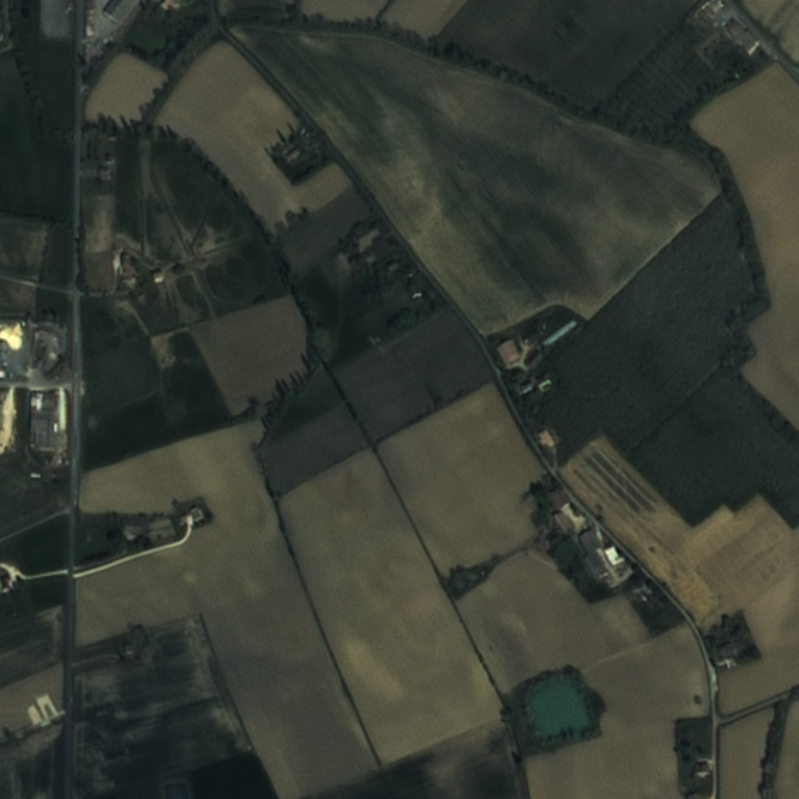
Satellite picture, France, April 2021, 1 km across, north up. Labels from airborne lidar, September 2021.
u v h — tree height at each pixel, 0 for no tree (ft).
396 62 0
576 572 59
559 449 21
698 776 25
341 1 0
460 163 0
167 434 0
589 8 0
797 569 0
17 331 0
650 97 46
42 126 25
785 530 0
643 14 0
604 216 0
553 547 56
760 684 0
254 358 0
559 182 0
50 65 0
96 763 0
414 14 0
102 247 0
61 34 0
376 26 29
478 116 0
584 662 0
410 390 0
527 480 0
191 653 0
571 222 0
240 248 0
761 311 68
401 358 0
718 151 35
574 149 0
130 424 0
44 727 0
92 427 0
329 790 0
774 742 47
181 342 0
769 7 0
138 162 0
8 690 0
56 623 0
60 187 0
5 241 0
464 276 0
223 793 0
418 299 21
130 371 0
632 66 0
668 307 19
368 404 0
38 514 0
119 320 0
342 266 0
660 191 0
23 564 0
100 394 0
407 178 0
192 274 0
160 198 0
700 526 0
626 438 23
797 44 0
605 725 0
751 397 49
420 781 0
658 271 22
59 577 0
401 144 0
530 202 0
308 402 0
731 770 0
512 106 0
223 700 0
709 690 0
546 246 0
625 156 0
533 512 0
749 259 42
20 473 0
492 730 0
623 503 0
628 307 18
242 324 0
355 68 0
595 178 0
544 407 21
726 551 0
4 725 0
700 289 19
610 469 0
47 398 0
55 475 0
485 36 0
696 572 0
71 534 0
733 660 36
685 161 0
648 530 0
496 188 0
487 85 0
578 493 0
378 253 49
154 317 0
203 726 0
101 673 0
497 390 0
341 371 0
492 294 0
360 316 0
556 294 0
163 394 0
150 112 49
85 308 0
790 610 0
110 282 0
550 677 37
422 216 0
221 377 0
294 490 0
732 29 0
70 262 0
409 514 0
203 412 0
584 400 21
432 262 0
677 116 40
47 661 0
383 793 0
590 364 19
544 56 0
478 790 0
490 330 0
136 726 0
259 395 0
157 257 0
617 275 0
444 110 0
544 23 0
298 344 0
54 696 0
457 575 45
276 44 0
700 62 47
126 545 34
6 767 0
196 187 0
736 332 77
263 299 19
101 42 0
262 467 54
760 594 0
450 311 0
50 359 0
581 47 0
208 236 0
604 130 0
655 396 19
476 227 0
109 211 0
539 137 0
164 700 0
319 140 46
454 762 0
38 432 0
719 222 20
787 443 38
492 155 0
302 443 0
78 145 0
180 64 95
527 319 0
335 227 0
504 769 0
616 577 0
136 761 0
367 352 0
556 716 0
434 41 27
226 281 0
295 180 24
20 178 0
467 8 0
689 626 0
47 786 0
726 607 0
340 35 0
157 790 0
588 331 19
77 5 0
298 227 42
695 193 0
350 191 0
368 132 0
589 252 0
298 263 0
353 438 0
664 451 19
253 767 0
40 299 0
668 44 35
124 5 0
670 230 0
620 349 17
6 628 0
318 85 0
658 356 20
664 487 20
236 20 22
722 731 0
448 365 0
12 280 0
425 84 0
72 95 0
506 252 0
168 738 0
